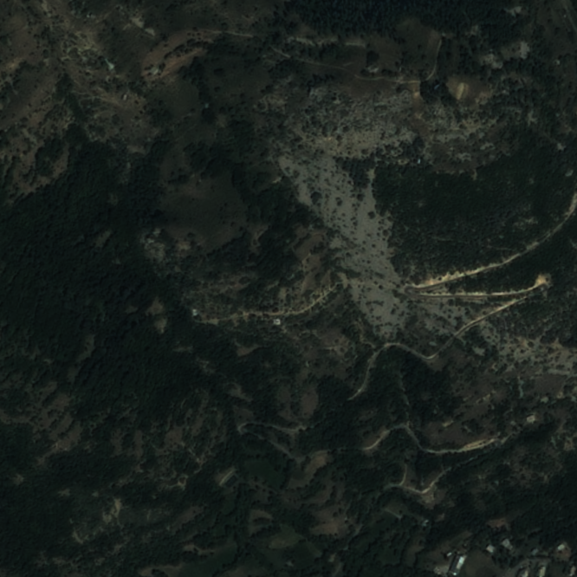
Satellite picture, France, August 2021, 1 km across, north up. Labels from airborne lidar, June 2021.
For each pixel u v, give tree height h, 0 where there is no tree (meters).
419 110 0
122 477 10
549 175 11
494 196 8
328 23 25
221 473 8
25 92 0
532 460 8
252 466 0
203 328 13
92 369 12
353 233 6
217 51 12
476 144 6
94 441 7
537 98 6
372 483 14
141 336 18
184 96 0
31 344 13
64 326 15
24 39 0
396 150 7
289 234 12
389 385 7
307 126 8
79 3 8
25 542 16
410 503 13
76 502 6
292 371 7
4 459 13
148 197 15
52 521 14
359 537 11
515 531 18
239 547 9
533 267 10
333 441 16
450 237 16
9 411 8
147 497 11
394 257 7
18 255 13
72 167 13
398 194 8
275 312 10
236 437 17
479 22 15
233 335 12
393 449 9
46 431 8
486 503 6
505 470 14
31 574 6
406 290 0
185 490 7
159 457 6
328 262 7
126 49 0
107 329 11
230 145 6
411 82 0
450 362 6
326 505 7
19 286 13
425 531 13
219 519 7
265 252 11
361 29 21
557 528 15
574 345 18
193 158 11
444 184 7
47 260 20
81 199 11
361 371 10
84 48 0
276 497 8
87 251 14
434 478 0
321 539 12
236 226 8
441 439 0
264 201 14
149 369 12
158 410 14
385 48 0
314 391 0
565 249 7
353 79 0
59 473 14
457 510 8
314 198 12
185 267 7
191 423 15
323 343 0
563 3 0
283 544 0
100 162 13
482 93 0
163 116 7
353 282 0
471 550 6
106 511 7
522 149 8
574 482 15
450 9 20
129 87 6
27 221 11
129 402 14
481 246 6
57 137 7
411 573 14
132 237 9
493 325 8
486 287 5
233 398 13
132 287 14
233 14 0
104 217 23
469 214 11
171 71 0
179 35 0
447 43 17
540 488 7
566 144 12
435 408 6
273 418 11
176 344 8
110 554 6
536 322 8
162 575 14
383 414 9
